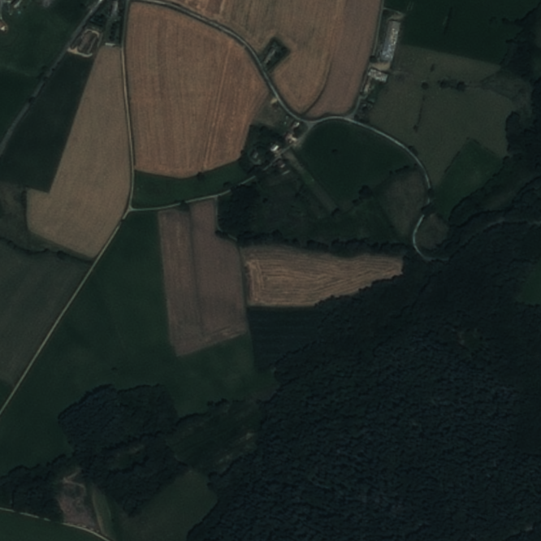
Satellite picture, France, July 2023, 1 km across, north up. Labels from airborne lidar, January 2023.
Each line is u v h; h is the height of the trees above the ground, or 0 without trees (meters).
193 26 0
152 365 0
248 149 0
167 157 0
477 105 0
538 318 20
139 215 0
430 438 25
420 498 24
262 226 0
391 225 13
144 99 0
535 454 12
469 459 34
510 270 17
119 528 0
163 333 0
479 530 25
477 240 18
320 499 32
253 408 0
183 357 0
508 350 19
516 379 23
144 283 0
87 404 24
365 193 18
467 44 0
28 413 0
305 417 24
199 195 0
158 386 7
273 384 0
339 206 0
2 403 0
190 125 0
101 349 0
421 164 0
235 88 0
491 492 28
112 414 32
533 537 20
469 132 0
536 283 0
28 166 0
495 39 0
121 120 0
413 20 0
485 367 21
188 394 0
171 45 0
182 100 0
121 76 0
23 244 0
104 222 0
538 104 19
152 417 9
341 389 8
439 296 19
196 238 0
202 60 0
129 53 0
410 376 27
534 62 0
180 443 0
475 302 17
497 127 0
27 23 0
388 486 25
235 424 0
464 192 0
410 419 28
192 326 0
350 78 0
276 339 0
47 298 0
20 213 0
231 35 0
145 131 0
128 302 0
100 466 24
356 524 29
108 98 0
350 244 16
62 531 0
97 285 0
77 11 0
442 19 0
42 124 0
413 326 21
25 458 0
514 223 14
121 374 0
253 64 0
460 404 26
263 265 0
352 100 0
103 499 0
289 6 0
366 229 8
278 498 13
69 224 0
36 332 0
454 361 30
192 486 0
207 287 0
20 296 0
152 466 27
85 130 0
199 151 0
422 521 27
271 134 8
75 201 0
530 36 8
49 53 0
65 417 15
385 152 0
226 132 0
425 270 25
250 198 20
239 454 0
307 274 0
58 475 27
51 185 0
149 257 0
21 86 0
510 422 30
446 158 0
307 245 8
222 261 0
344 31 0
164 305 0
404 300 22
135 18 0
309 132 0
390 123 0
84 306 0
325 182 0
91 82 0
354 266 0
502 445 27
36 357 0
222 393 0
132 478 24
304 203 16
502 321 14
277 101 0
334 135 0
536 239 12
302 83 0
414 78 0
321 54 0
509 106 0
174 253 0
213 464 0
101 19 12
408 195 0
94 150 0
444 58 0
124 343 0
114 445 17
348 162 0
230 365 0
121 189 0
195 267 0
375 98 0
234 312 0
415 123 0
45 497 11
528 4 0
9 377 0
